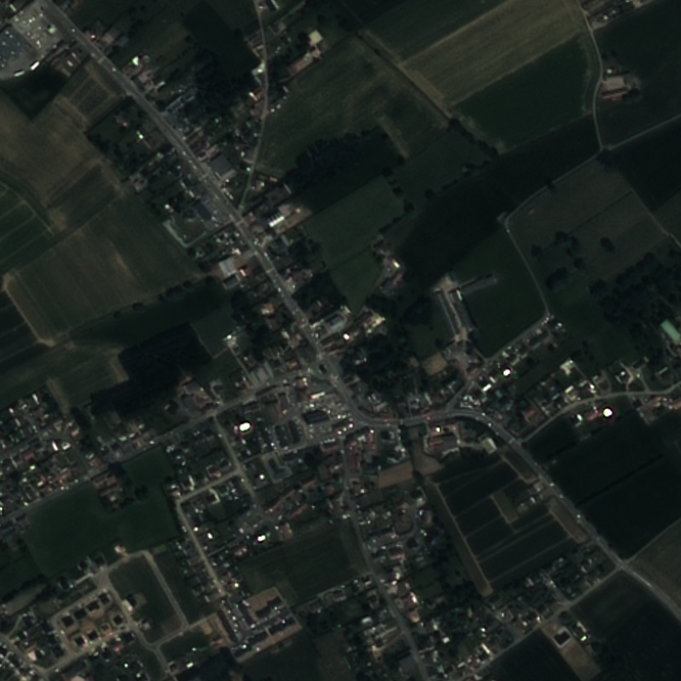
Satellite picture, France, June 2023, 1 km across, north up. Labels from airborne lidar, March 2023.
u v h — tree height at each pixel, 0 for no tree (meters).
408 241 0
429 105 0
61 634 0
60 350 0
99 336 0
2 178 0
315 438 0
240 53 0
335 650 0
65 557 0
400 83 0
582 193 0
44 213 0
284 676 0
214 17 0
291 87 0
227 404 0
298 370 0
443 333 0
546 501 0
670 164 0
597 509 0
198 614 0
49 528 0
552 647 0
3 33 0
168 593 0
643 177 0
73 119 0
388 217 0
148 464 0
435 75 0
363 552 0
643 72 0
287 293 0
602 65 0
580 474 0
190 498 0
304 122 0
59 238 0
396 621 0
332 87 0
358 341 0
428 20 0
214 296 0
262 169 0
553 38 0
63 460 0
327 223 0
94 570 0
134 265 0
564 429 0
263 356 7
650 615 0
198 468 0
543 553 0
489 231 0
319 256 15
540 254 21
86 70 0
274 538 0
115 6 0
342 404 0
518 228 0
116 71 0
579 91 0
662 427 0
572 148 0
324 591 0
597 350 0
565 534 0
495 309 0
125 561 0
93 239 0
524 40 0
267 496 0
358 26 0
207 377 0
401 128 0
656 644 0
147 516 0
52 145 0
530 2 0
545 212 0
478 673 0
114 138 0
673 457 0
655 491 0
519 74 0
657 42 0
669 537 0
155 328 0
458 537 0
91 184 0
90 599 0
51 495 0
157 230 0
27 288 0
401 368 8
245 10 0
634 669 0
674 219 0
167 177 0
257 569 0
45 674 0
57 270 0
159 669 0
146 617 0
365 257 0
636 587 0
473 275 0
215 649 0
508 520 0
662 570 0
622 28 0
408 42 0
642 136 0
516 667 0
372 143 0
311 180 17
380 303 13
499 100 0
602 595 0
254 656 0
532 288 0
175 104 0
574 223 0
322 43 0
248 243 0
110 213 0
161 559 0
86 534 0
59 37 0
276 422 0
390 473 0
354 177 0
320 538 0
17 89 0
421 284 0
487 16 0
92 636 8
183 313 0
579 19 0
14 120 0
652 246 0
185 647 0
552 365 0
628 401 0
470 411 0
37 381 0
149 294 0
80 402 0
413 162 0
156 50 0
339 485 0
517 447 0
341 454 7
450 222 0
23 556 0
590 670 0
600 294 17
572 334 0
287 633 0
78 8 0
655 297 0
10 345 0
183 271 0
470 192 0
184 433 0
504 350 0
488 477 0
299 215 0
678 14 0
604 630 0
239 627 0
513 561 0
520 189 0
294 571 0
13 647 0
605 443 0
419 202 0
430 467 0
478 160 0
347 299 9
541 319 0
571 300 0
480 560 0
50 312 0
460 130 9
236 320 14
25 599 0
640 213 0
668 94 0
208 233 0
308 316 0
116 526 0
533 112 0
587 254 0
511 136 0
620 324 25
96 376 0
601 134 0
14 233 0
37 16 0
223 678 17
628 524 0
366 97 0
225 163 0
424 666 0
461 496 0
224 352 0
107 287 0
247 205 0
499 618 0
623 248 0
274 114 0
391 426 0
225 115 7
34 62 0
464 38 0
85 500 0
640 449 0
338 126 0
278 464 0
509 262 0
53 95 0
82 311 0
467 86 0
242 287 0
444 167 0
